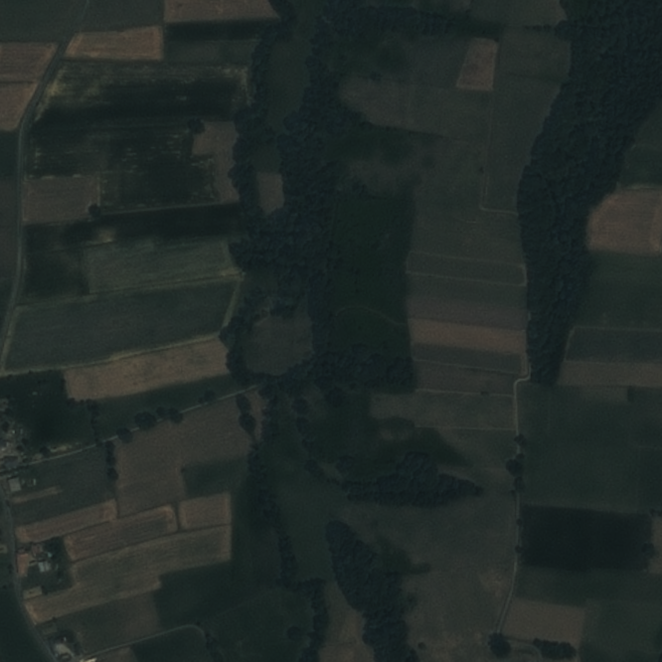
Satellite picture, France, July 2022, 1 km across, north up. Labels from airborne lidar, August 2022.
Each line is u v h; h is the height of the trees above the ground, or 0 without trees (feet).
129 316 0
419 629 0
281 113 0
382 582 73
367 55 0
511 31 0
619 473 0
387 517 0
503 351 0
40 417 0
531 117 0
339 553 42
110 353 0
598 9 43
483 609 0
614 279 0
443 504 31
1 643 0
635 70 92
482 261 0
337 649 0
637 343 0
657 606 0
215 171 0
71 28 0
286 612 0
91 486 0
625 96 54
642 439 0
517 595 0
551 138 65
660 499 0
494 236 0
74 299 0
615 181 32
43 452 48
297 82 0
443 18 36
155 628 0
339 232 0
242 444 0
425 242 0
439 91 0
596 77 95
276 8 64
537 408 0
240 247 64
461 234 0
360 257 0
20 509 0
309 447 61
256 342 0
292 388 83
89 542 0
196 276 0
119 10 0
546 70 0
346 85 0
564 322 69
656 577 0
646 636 0
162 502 0
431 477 91
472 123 0
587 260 70
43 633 0
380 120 0
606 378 0
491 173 0
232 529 0
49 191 0
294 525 0
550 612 0
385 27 50
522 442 42
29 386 0
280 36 65
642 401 0
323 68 67
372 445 0
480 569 0
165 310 0
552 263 87
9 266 0
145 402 0
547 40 0
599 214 0
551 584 0
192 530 0
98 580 0
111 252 0
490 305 0
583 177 79
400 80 0
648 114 46
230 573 0
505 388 0
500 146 0
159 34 0
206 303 0
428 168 0
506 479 0
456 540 0
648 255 0
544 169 67
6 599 0
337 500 0
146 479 0
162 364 0
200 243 0
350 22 38
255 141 76
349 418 0
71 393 0
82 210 0
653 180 0
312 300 73
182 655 0
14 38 0
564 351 45
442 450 0
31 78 0
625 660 0
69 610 0
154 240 0
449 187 0
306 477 0
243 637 0
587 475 0
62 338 0
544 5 0
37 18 0
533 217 79
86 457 0
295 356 0
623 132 39
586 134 82
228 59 0
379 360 65
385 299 0
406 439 0
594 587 0
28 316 0
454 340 0
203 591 0
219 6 0
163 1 0
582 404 0
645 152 0
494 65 0
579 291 71
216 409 0
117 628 0
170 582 0
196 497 0
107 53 0
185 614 0
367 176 0
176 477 0
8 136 0
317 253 76
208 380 0
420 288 0
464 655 0
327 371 37
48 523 0
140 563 0
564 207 101
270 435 65
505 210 0
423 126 0
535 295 55
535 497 0
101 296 0
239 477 0
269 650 0
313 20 0
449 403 0
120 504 0
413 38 0
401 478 68
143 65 0
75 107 0
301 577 0
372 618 68
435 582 0
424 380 0
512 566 0
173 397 0
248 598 0
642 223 0
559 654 43
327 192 63
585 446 0
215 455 0
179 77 0
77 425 0
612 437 0
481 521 0
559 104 63
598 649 0
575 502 0
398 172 0
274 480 0
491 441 0
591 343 0
